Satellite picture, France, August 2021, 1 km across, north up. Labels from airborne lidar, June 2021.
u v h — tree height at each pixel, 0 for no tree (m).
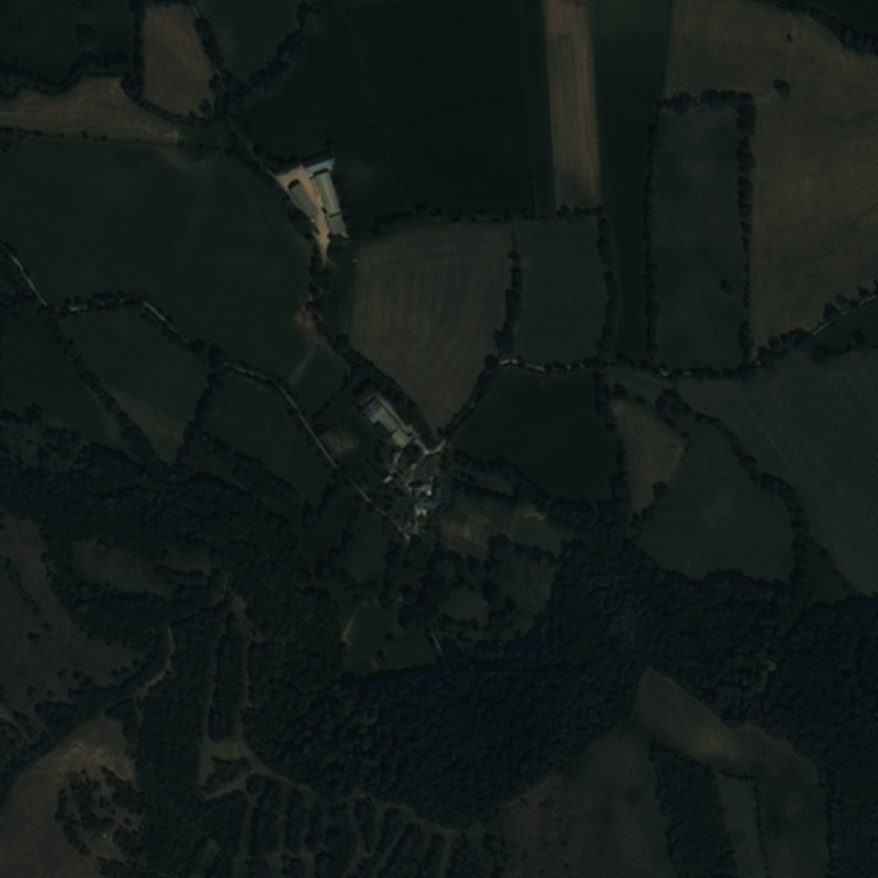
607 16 0
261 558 20
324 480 0
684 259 0
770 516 0
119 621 16
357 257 0
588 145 0
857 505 0
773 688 25
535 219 8
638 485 0
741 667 22
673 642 19
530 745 27
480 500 15
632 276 0
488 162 0
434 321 0
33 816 0
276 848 12
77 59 0
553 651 28
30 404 0
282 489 18
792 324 0
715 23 0
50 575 9
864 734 18
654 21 0
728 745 0
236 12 0
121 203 0
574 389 0
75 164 0
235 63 0
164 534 19
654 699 0
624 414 0
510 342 17
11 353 0
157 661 13
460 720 37
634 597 13
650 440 0
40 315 13
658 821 0
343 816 16
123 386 0
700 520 0
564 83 0
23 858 0
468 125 0
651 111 0
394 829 13
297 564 19
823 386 0
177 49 0
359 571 0
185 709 15
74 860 0
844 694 25
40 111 0
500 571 15
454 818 20
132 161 0
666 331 0
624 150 0
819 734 13
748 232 14
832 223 0
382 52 0
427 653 0
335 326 0
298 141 0
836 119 0
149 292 0
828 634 26
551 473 0
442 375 0
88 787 8
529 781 22
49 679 0
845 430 0
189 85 0
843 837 13
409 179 0
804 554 18
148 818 9
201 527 16
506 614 15
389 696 32
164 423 0
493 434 0
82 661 0
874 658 20
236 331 0
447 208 0
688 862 18
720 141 0
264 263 0
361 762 25
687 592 25
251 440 0
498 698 30
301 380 0
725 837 11
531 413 0
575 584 17
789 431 0
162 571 14
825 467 0
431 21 0
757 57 0
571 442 0
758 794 6
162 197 0
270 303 0
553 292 0
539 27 0
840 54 0
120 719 9
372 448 0
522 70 0
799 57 0
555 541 0
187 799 10
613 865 0
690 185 0
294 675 26
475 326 0
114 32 0
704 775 13
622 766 0
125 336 0
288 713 29
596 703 12
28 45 0
